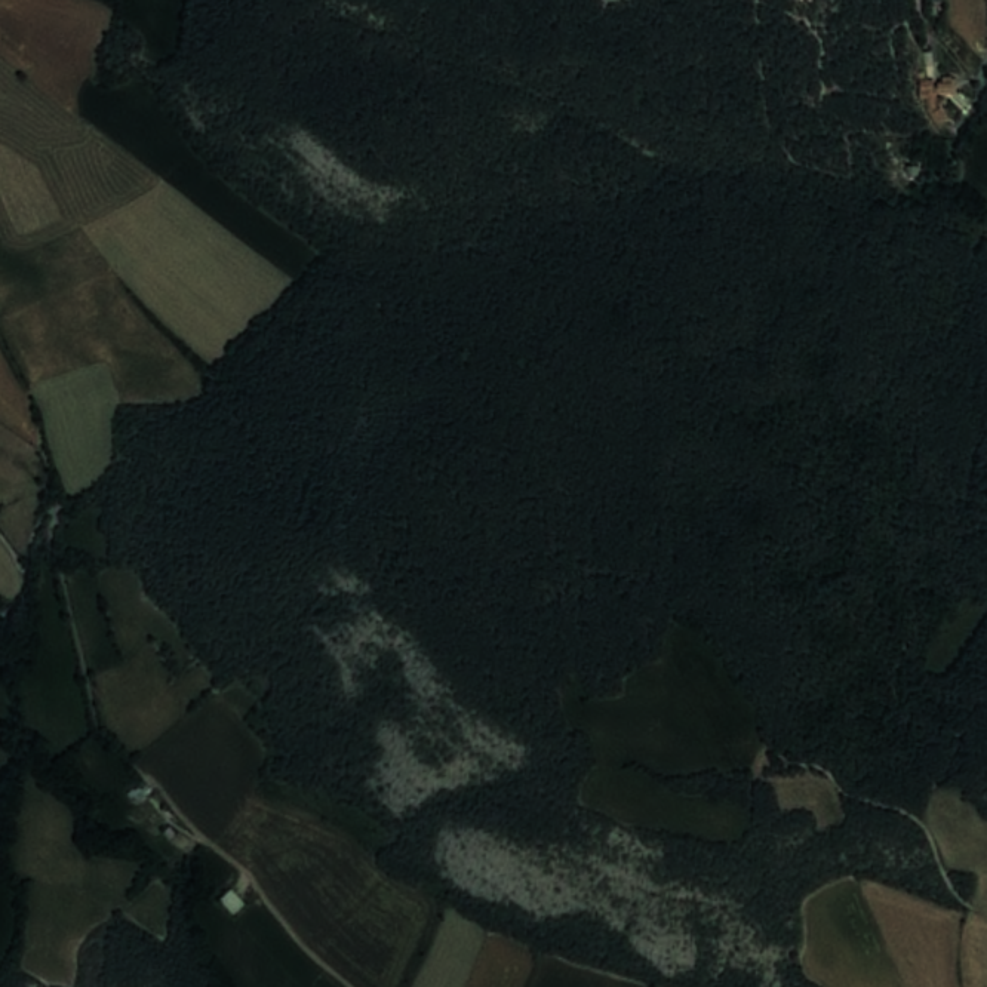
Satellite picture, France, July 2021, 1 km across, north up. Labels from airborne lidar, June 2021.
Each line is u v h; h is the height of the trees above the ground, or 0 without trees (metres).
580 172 11
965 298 12
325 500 9
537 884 0
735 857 6
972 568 13
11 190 0
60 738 0
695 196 15
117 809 0
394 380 9
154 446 7
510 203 6
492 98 8
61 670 0
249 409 11
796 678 13
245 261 0
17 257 0
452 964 0
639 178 12
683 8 10
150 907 0
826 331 8
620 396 12
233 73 9
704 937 6
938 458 12
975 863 0
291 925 0
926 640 9
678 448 11
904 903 0
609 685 10
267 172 9
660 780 7
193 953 14
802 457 13
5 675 22
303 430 13
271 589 8
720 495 7
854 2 9
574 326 14
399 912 0
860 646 8
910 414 12
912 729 12
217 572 9
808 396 10
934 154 7
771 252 14
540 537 16
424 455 13
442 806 10
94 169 0
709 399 12
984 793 6
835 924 0
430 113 13
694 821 0
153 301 0
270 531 14
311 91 12
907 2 11
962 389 15
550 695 10
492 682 14
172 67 12
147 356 0
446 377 12
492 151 6
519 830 7
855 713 11
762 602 12
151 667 0
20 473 0
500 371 15
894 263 10
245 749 0
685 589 13
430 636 9
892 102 12
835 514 18
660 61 11
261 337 17
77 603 0
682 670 0
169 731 0
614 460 13
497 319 11
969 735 13
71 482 0
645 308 18
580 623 9
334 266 13
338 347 9
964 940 0
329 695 6
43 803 0
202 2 13
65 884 0
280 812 0
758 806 11
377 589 8
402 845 8
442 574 18
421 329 15
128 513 8
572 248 15
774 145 7
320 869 0
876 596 12
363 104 12
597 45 10
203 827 0
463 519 12
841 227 14
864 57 12
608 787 0
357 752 11
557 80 8
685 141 8
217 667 10
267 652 10
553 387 8
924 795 10
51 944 0
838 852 7
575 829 6
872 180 7
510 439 12
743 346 13
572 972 0
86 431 0
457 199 7
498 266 16
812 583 14
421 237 9
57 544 13
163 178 0
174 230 0
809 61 10
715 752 0
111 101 0
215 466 10
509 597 16
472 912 10
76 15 0
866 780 13
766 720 13
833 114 10
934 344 12
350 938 0
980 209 13
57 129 0
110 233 0
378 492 5
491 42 11
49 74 0
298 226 12
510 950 0
